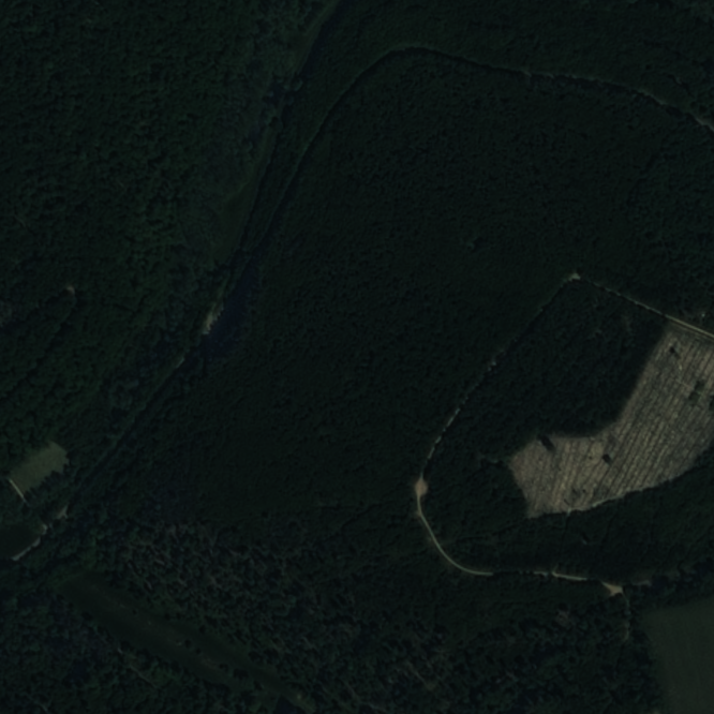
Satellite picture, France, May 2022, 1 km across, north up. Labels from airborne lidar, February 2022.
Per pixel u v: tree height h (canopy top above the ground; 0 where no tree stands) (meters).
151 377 27
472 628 7
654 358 0
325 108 18
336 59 22
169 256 24
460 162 23
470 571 0
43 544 12
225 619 32
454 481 14
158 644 0
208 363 33
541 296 15
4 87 28
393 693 20
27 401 30
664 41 19
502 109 23
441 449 9
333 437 11
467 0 17
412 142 18
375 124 14
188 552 24
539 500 0
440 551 0
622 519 7
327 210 20
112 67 27
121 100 26
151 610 32
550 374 15
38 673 38
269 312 19
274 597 31
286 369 19
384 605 7
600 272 15
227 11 32
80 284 27
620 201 13
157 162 30
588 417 11
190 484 12
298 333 22
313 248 14
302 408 15
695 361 0
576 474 0
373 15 22
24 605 31
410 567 6
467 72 19
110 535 18
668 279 9
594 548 9
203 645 0
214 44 29
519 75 17
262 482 13
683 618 0
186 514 12
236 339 36
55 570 24
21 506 10
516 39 26
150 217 28
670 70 26
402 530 11
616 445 0
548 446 28
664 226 25
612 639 33
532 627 32
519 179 22
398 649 30
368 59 19
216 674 0
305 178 13
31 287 25
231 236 0
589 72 23
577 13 18
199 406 17
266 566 27
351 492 16
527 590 12
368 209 21
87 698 9
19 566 12
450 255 19
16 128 27
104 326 22
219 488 12
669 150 23
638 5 20
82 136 30
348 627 29
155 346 0
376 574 8
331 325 22
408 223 22
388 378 18
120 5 28
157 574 24
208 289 20
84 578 0
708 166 27
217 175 39
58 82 34
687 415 0
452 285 20
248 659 0
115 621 0
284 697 0
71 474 18
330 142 16
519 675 29
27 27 31
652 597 25
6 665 30
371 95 13
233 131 35
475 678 33
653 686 30
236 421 15
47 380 30
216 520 9
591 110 15
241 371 12
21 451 27
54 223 28
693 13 6
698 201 29
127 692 20
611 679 34
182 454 15
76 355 29
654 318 13
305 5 18
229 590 25
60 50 29
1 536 0
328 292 18
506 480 12
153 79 31
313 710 0
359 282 13
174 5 25
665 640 0
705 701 0
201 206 36
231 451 12
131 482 20
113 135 30
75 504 16
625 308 11
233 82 25
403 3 19
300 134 20
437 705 32
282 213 23
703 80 38
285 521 12
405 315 21
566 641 32
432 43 23
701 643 0
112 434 24
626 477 0
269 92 17
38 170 27
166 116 30
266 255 26
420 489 0
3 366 26
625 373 9
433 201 21
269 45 31
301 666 27
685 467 0
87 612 0
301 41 0
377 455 16
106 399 27
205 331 0
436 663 25
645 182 22
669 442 0
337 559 28
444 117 21
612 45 20
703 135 23
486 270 20
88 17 34
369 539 9
